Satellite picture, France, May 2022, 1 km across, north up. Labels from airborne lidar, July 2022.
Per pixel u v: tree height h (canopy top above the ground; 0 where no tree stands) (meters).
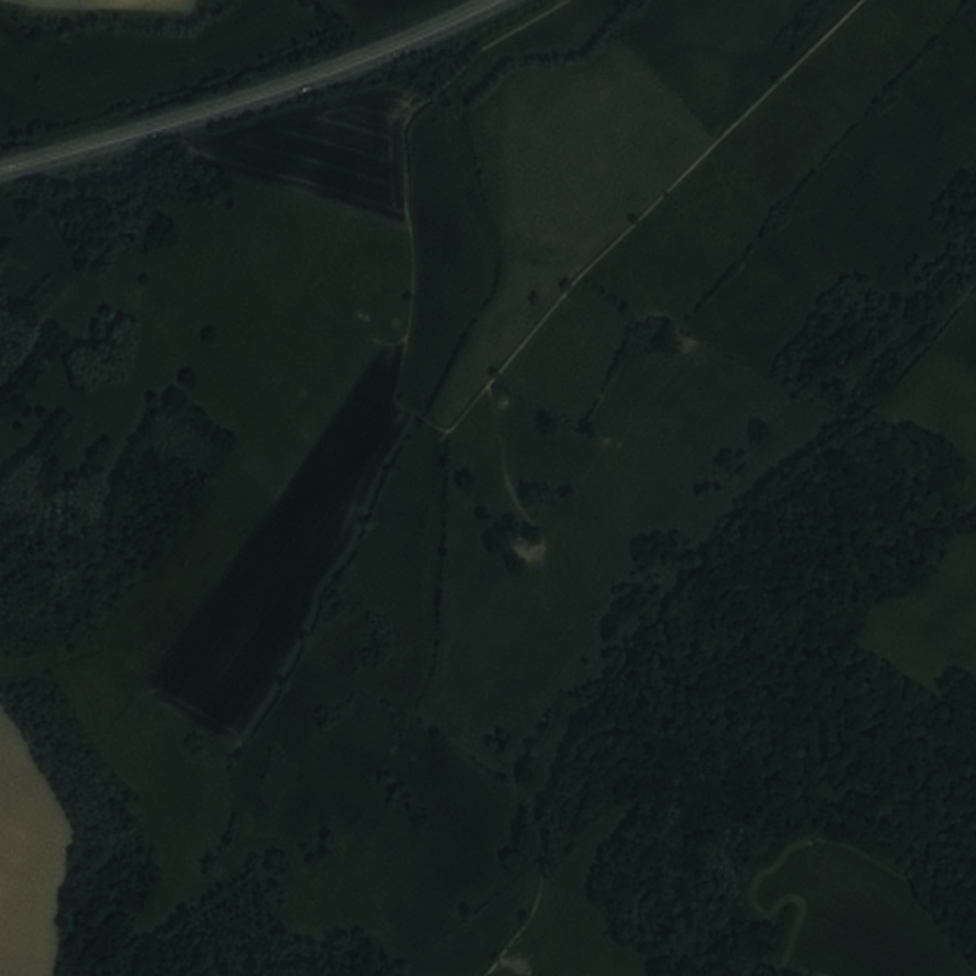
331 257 0
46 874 0
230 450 20
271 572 0
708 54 0
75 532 24
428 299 0
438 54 13
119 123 0
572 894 0
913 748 27
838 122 0
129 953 9
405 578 0
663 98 0
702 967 27
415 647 0
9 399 20
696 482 0
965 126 0
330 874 0
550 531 0
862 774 27
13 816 0
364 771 0
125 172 9
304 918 0
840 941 0
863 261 0
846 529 32
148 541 23
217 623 0
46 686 10
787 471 16
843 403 12
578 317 0
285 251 0
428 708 0
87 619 19
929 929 0
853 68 0
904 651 0
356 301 0
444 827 0
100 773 25
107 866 21
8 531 26
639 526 0
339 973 22
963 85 0
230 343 0
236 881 7
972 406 0
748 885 13
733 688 24
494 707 0
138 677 0
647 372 0
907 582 25
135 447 24
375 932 0
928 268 9
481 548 0
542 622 0
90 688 0
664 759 26
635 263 0
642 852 30
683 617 20
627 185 0
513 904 0
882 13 0
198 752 8
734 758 25
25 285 0
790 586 25
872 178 0
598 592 0
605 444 0
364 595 0
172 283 0
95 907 21
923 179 0
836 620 24
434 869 0
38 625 22
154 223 25
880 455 25
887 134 0
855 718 31
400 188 0
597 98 0
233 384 0
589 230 0
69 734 21
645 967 0
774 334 0
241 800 0
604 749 25
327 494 0
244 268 0
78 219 18
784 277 0
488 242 0
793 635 23
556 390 0
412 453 0
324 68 0
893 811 25
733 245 0
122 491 26
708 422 0
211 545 0
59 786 16
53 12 0
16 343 22
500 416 0
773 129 0
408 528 0
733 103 0
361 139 0
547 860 15
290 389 0
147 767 0
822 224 0
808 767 26
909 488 23
